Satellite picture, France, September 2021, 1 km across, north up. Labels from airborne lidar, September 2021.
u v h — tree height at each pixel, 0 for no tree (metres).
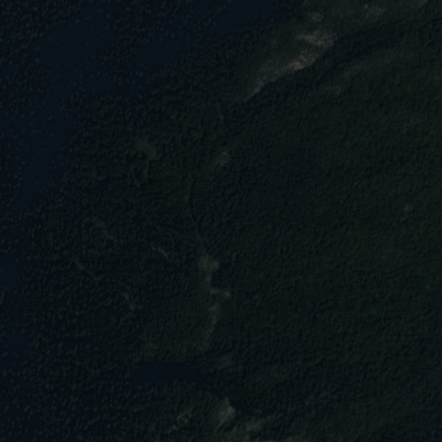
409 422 20
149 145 14
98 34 26
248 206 25
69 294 20
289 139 22
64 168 35
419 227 23
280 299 28
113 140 27
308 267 29
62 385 21
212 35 26
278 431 26
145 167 15
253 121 23
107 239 10
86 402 16
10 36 27
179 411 25
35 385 24
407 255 14
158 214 18
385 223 20
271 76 7
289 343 32
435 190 16
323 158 17
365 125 17
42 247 17
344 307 18
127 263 13
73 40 27
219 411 14
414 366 21
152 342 23
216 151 17
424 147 11
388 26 11
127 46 31
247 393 25
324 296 25
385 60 6
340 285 27
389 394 11
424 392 13
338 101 22
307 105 21
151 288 14
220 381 26
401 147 23
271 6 27
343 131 24
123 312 12
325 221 28
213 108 19
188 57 26
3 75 10
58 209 23
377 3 10
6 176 29
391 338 23
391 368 27
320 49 9
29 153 27
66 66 21
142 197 21
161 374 26
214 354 27
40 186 30
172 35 15
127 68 28
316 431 11
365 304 23
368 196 19
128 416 16
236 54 15
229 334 12
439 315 26
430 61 20
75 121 27
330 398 10
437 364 16
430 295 20
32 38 28
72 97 31
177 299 21
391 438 22
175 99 24
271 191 22
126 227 33
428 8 17
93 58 26
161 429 26
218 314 10
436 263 22
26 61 24
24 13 26
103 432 13
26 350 25
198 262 9
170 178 18
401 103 26
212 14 16
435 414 22
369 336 26
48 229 21
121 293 12
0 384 14
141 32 31
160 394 21
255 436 17
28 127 35
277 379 13
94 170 25
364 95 23
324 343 25
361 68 6
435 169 18
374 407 10
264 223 21
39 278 28
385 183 25
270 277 21
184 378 19
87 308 17
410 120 12
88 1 29
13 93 27
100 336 10
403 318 20
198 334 10
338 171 26
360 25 10
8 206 34
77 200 25
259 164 23
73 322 33
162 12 22
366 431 16
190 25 17
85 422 12
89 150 25
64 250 14
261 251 24
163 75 11
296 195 21
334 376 29
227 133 25
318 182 24
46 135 33
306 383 28
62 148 31
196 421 23
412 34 17
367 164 27
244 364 20
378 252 17
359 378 33
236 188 26
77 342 6
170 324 19
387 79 18
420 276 23
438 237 15
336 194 17
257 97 29
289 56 7
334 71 26
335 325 30
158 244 13
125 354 13
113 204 11
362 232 24
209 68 28
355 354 28
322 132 25
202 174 11
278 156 24
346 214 25
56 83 26
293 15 23
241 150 22
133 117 30
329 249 22
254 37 21
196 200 26
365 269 17
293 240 27
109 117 22
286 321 16
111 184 22
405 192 13
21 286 15
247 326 29
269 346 29
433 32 22
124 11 23
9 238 21
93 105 31
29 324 10
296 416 20
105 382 15
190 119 22
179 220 24
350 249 17
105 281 12
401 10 8
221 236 21
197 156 29
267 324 13
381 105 18
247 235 22
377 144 22
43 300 28
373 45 26
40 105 30
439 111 19
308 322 23
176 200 23
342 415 14
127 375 29
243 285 28
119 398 19
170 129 20
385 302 24
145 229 17
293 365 11
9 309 17
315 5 16
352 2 8
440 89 12
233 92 17
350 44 26
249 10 13
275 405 29
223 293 9
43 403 13
